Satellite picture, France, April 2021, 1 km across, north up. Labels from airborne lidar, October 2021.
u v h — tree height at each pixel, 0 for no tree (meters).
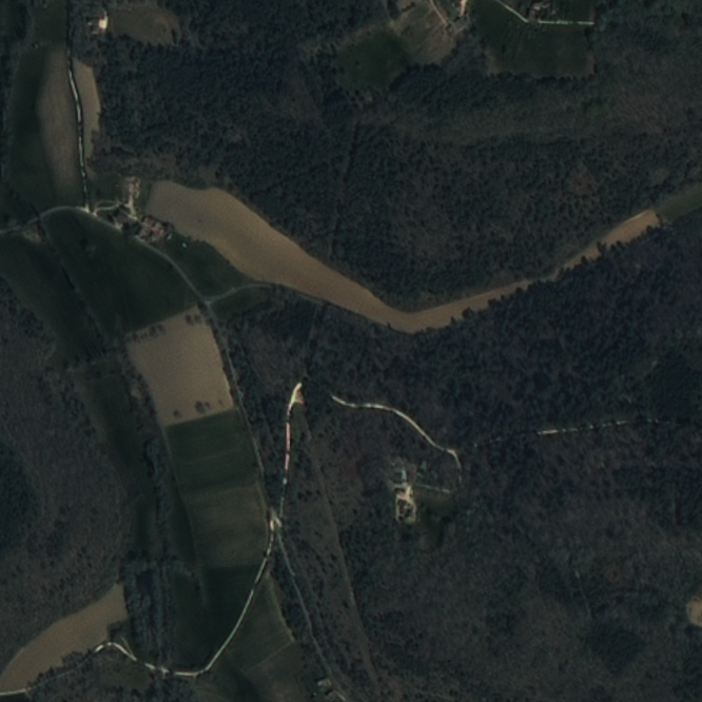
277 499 14
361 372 17
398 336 13
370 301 0
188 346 0
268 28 13
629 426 14
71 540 16
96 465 18
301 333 9
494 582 14
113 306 0
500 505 18
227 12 17
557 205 9
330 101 0
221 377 0
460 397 11
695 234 15
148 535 0
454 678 10
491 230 16
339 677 7
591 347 10
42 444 17
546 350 11
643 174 10
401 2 0
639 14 20
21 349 13
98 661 13
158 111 9
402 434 6
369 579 12
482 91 22
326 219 18
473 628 17
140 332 0
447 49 0
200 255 0
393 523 13
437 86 22
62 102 0
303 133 13
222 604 0
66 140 0
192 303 0
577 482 10
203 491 0
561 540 17
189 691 16
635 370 28
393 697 10
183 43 9
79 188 0
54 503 16
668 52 22
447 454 11
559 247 11
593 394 21
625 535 18
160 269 0
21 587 13
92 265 0
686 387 11
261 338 11
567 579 17
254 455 0
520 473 14
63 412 11
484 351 13
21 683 0
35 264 0
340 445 6
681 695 25
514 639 21
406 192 13
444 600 24
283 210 15
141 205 0
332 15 24
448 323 0
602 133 11
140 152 9
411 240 10
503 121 25
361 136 18
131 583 23
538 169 11
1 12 9
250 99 21
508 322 19
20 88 0
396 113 21
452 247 9
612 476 13
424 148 13
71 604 18
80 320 0
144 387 12
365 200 20
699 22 8
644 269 17
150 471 8
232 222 0
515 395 10
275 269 0
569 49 0
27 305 0
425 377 15
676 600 16
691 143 13
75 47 17
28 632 16
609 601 10
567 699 9
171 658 9
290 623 13
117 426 0
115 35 0
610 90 24
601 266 13
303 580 11
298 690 0
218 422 0
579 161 9
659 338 19
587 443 10
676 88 18
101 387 0
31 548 14
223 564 0
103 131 14
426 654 8
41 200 0
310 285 0
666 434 19
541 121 25
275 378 13
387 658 6
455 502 14
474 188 12
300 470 14
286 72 14
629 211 13
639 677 18
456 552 14
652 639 18
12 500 19
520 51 0
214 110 14
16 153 0
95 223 0
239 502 0
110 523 15
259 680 0
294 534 11
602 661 17
